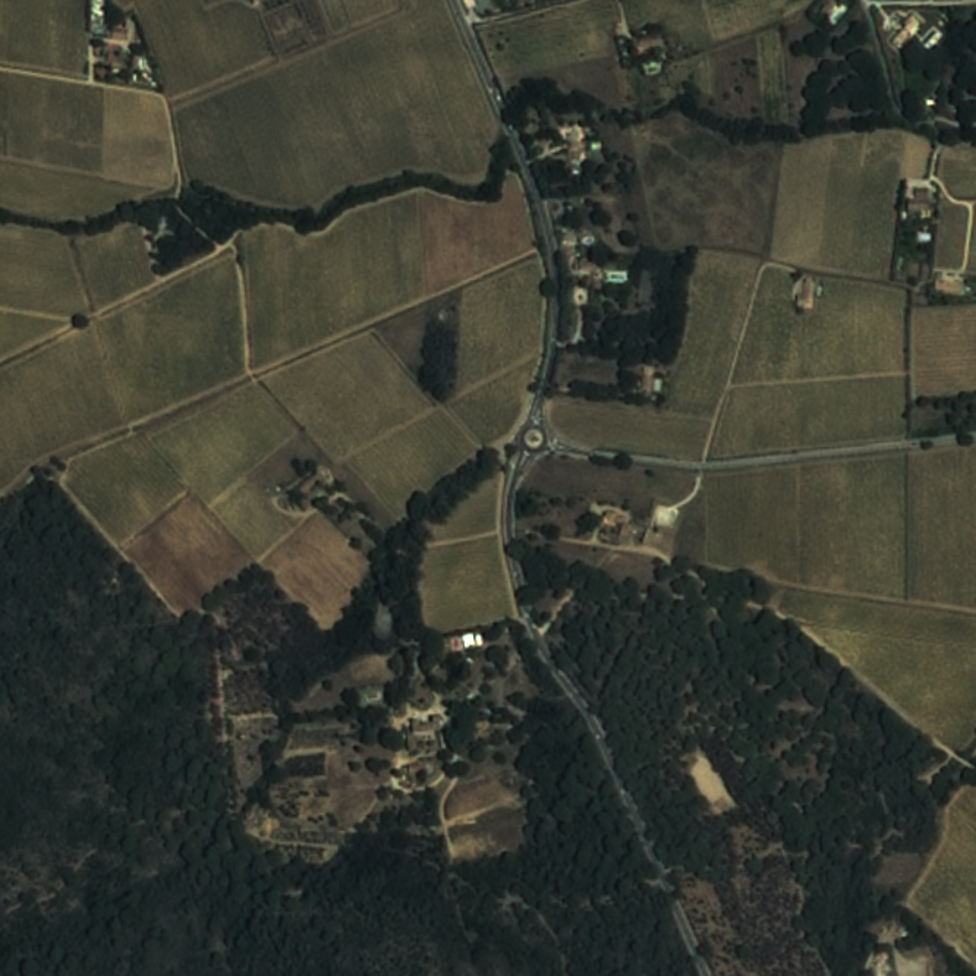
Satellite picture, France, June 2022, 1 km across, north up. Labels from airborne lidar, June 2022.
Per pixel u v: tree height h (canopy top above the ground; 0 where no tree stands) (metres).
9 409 0
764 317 0
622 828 12
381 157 0
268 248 0
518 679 0
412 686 24
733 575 12
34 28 0
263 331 0
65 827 7
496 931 8
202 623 8
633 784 12
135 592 6
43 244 0
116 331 0
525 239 0
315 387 0
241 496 0
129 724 10
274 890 13
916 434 6
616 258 16
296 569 0
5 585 8
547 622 8
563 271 9
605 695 11
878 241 0
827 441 0
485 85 0
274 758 18
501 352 0
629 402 9
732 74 0
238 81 0
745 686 12
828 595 0
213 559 0
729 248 0
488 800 0
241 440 0
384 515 0
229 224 11
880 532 0
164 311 0
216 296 0
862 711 11
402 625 21
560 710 9
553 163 8
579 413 0
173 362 0
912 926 8
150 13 0
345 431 0
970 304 0
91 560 8
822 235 0
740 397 0
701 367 0
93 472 0
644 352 10
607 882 7
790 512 0
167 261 11
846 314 0
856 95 14
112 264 0
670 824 8
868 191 0
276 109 0
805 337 0
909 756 11
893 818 8
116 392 0
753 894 7
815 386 0
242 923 9
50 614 9
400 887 8
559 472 0
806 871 8
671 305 13
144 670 10
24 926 7
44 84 0
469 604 0
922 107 13
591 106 12
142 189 0
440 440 0
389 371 0
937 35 0
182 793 9
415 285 0
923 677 0
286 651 12
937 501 0
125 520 0
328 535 0
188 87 0
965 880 0
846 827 12
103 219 7
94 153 0
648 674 8
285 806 6
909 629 0
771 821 12
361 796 0
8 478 0
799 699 10
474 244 0
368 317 0
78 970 6
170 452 0
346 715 12
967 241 0
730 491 0
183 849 12
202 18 0
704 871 11
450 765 10
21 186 0
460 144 0
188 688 10
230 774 10
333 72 0
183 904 8
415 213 0
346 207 8
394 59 0
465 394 0
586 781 14
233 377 0
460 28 0
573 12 0
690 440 0
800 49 13
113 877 10
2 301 0
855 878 9
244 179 0
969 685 0
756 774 10
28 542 10
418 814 9
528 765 18
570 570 11
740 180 0
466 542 0
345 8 0
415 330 0
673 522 0
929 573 0
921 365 0
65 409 0
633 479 0
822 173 0
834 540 0
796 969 7
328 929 9
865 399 0
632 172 6
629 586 12
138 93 0
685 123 0
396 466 0
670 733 11
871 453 0
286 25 0
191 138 0
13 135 0
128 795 7
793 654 10
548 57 0
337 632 9
